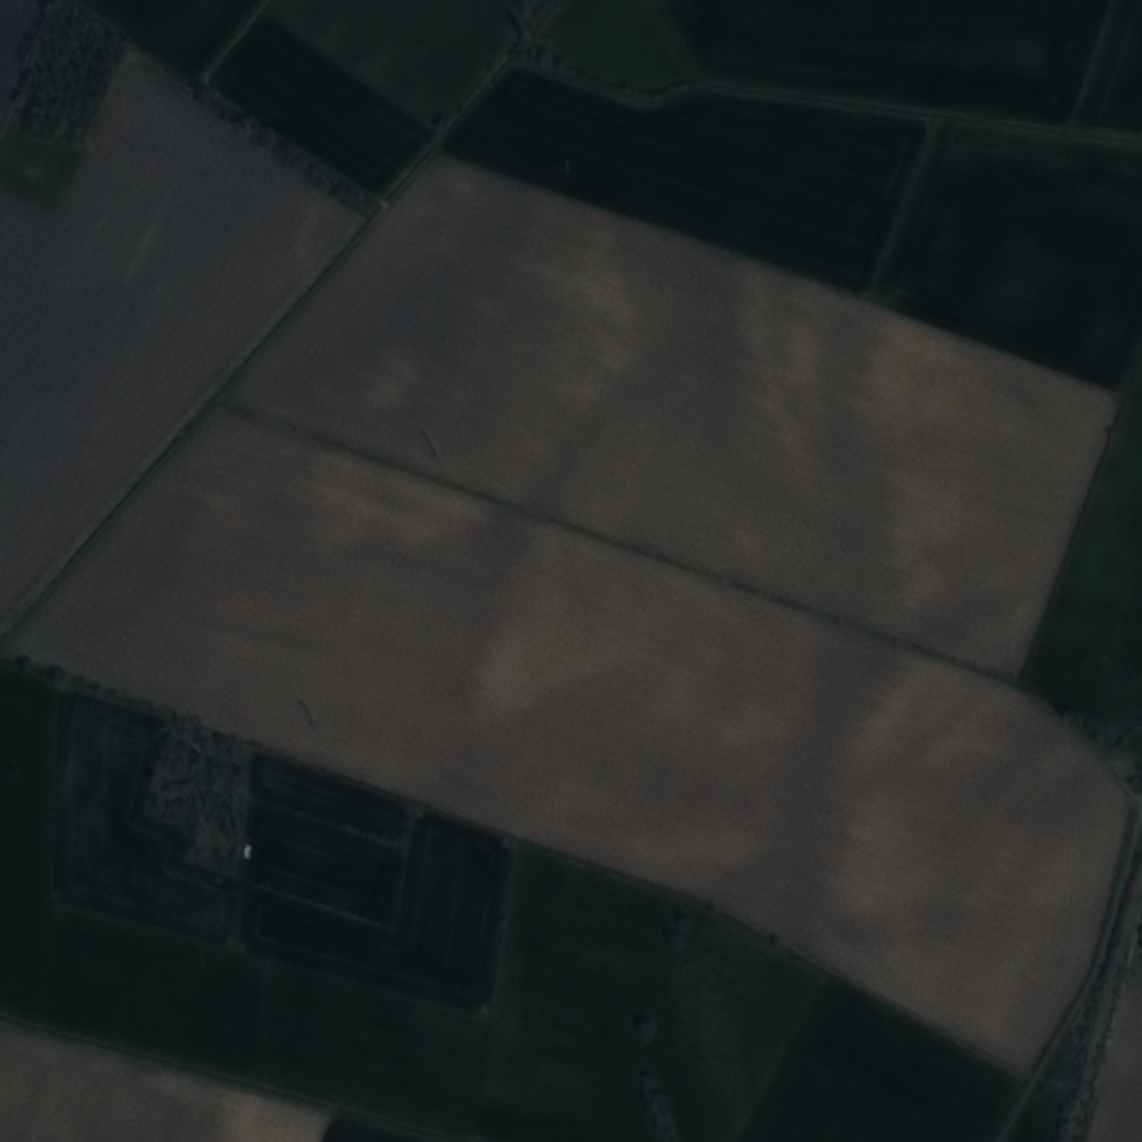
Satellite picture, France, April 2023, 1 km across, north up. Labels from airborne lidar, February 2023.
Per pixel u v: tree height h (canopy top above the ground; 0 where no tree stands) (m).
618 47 0
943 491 0
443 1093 0
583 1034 0
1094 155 0
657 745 0
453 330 0
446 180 0
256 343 0
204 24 0
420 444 0
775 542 0
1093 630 0
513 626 0
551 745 0
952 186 0
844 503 0
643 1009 0
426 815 0
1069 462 0
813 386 0
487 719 0
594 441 0
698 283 0
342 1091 0
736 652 0
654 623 0
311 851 0
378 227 0
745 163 0
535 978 0
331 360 0
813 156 0
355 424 0
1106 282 0
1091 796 0
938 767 0
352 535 0
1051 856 0
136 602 0
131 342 0
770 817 0
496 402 0
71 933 0
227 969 0
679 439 0
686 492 0
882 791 0
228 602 0
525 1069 0
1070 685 0
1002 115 0
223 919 0
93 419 0
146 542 0
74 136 16
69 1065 0
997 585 0
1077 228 0
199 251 0
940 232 0
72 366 0
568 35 0
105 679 0
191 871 0
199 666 0
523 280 0
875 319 0
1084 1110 7
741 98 0
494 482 0
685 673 0
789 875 0
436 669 0
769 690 0
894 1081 0
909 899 0
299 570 0
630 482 0
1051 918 0
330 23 0
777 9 0
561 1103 0
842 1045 0
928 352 0
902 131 0
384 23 0
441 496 0
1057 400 0
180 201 0
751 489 0
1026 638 0
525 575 0
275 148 11
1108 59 0
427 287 0
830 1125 0
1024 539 0
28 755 0
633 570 0
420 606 0
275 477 0
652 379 0
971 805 0
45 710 0
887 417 0
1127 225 0
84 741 0
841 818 0
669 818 0
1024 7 0
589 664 0
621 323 0
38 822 0
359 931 0
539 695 0
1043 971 0
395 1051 0
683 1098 0
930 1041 0
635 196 0
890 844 0
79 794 0
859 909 0
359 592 0
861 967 0
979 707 0
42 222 0
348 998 0
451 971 0
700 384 0
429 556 0
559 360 0
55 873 0
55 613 0
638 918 0
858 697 0
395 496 0
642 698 0
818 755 0
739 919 0
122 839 0
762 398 0
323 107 0
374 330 0
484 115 0
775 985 0
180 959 0
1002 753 0
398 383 0
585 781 0
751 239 0
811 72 0
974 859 0
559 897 0
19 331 0
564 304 0
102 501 0
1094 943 0
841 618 0
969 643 0
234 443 0
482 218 0
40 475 0
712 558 0
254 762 0
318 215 0
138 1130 0
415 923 0
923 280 0
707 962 0
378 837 6
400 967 0
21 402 0
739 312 0
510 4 0
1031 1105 0
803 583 0
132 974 0
